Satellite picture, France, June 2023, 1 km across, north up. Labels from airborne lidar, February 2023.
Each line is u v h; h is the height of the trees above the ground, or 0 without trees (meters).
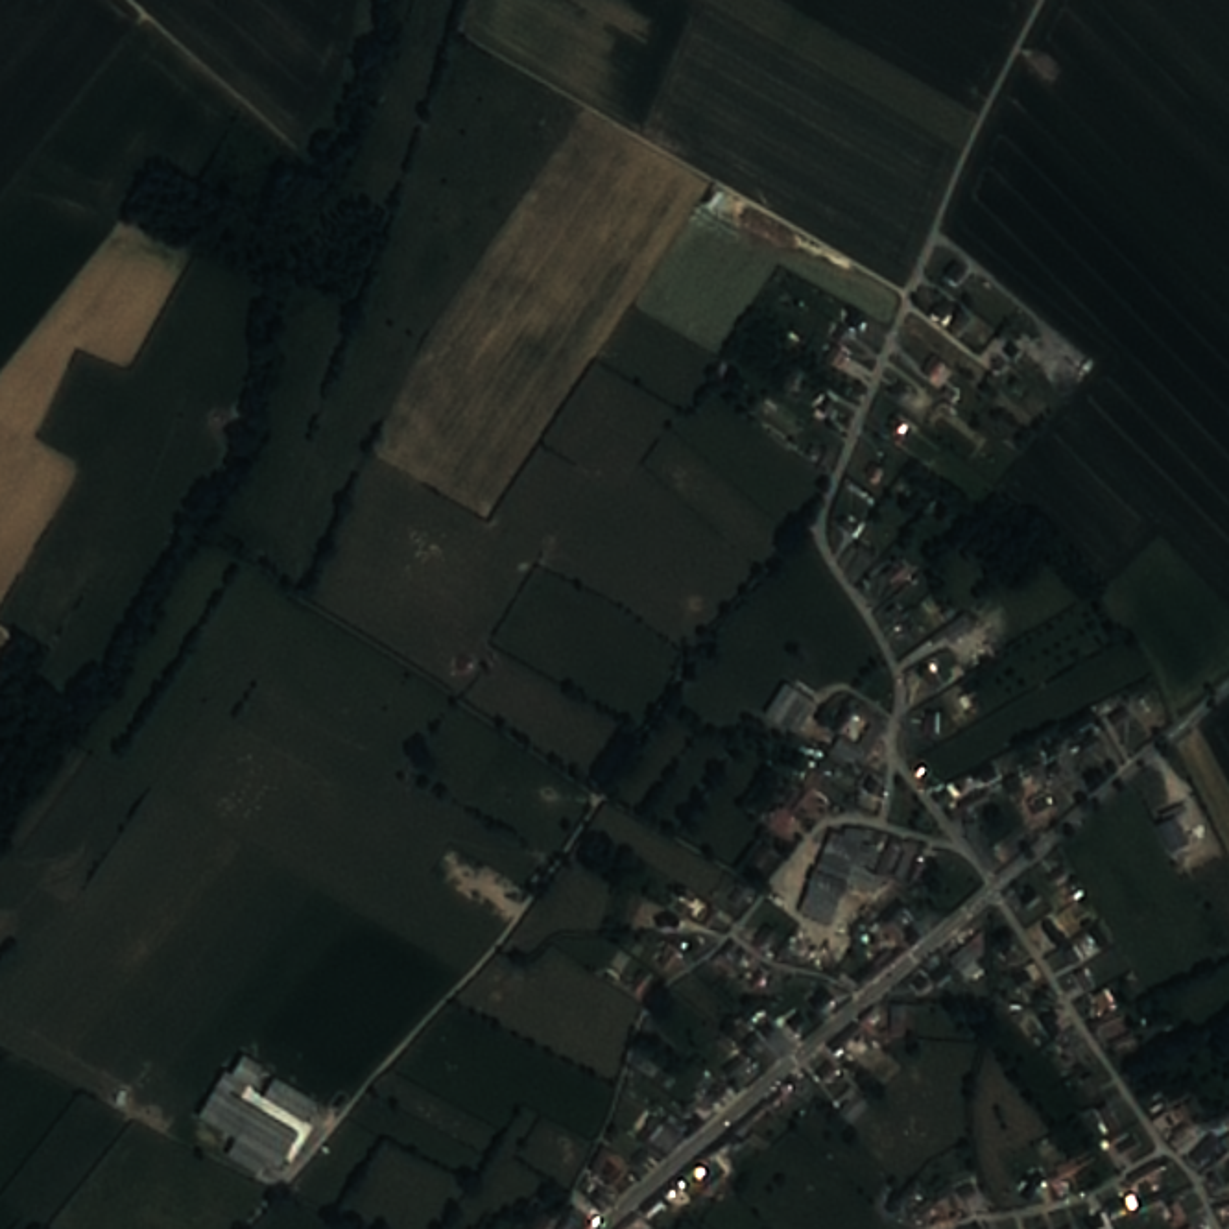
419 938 0
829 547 0
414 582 0
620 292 0
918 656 0
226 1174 0
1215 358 0
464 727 0
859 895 0
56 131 0
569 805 0
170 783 0
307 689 0
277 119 0
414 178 0
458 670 0
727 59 0
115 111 0
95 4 0
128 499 0
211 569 0
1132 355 0
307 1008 0
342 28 0
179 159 0
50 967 0
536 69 0
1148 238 0
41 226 0
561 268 0
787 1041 0
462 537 0
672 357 0
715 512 0
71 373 0
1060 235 0
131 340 0
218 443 0
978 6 0
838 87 0
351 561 0
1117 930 0
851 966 0
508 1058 0
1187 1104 9
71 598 0
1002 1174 0
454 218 0
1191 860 0
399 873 0
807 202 0
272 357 18
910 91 0
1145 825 0
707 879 0
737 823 0
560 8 0
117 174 0
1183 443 0
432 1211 0
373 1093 11
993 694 0
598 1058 0
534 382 0
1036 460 0
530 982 0
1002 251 0
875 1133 0
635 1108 0
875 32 0
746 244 0
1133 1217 0
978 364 0
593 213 0
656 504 0
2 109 0
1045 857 0
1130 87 0
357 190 0
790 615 0
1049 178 0
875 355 0
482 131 0
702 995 0
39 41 0
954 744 0
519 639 0
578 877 0
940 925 0
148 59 0
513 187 0
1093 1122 0
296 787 0
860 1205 0
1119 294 0
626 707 0
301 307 0
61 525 0
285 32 0
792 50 0
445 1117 0
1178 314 0
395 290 0
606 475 0
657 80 0
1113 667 0
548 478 0
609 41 0
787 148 0
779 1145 0
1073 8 0
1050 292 0
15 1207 0
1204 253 0
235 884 0
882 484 0
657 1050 14
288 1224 0
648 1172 0
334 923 0
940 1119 0
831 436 0
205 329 0
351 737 0
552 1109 0
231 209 21
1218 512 0
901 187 0
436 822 0
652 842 0
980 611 0
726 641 0
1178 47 0
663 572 0
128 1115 0
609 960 0
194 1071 0
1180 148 0
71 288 0
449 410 0
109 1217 0
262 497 0
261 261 7
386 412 0
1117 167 0
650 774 0
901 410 0
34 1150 0
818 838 0
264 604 0
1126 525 0
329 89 0
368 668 0
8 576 0
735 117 0
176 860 0
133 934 0
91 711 16
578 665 0
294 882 0
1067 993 0
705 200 0
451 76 0
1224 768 0
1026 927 0
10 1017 0
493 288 0
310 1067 0
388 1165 0
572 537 0
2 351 0
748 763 0
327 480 0
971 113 0
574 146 0
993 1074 0
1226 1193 0
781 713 0
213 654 0
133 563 0
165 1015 0
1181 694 0
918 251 0
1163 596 0
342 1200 6
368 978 0
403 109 0
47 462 0
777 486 0
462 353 0
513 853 0
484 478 0
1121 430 0
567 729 0
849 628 0
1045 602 0
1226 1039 29
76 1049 0
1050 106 0
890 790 0
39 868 0
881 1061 0
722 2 0
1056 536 17
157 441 0
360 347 0
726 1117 0
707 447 0
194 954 0
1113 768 11
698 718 9
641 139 0
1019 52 0
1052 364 0
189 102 0
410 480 0
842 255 0
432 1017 0
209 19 0
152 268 0
